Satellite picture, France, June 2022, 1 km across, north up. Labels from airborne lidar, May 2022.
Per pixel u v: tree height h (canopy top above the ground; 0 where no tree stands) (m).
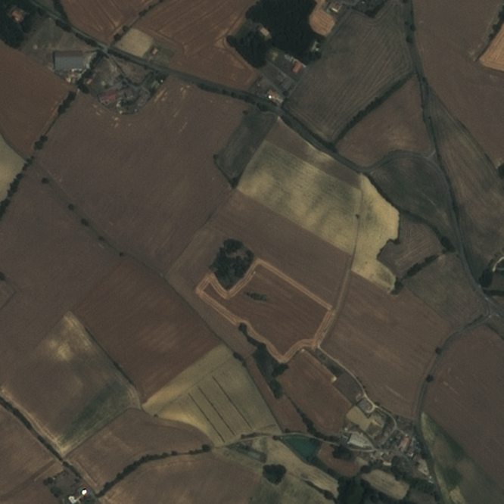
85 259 0
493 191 0
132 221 0
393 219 0
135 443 0
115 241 0
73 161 0
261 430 0
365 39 0
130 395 0
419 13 0
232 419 0
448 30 0
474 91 0
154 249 0
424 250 0
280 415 0
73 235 0
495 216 0
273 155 0
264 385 0
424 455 11
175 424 0
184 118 0
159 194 0
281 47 20
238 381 0
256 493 0
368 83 0
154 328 0
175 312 0
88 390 0
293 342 0
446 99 0
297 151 0
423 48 0
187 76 0
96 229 0
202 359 0
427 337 0
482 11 0
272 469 16
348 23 0
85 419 0
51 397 0
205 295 0
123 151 0
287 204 0
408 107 0
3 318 0
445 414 0
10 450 0
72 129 0
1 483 0
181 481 0
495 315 0
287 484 0
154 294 0
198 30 0
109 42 0
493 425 0
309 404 0
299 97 0
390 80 0
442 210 0
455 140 0
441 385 0
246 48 16
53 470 0
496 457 0
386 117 0
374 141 0
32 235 0
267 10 11
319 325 0
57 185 0
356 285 0
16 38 15
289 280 0
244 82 0
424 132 0
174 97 0
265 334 0
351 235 0
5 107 0
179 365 0
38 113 0
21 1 16
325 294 0
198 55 0
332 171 0
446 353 0
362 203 0
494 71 0
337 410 0
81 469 0
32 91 0
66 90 0
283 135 0
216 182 0
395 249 0
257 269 0
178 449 0
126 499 0
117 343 0
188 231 0
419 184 0
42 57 0
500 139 0
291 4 13
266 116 0
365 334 0
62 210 0
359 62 0
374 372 0
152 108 0
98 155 0
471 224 0
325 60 0
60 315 0
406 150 0
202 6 0
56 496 6
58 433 0
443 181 0
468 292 0
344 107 0
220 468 0
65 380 0
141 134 0
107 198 0
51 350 0
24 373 0
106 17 0
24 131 0
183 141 0
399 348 0
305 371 0
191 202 0
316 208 0
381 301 0
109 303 0
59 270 0
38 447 0
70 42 0
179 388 0
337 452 12
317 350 0
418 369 0
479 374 0
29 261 0
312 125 0
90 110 0
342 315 0
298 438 0
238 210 0
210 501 0
